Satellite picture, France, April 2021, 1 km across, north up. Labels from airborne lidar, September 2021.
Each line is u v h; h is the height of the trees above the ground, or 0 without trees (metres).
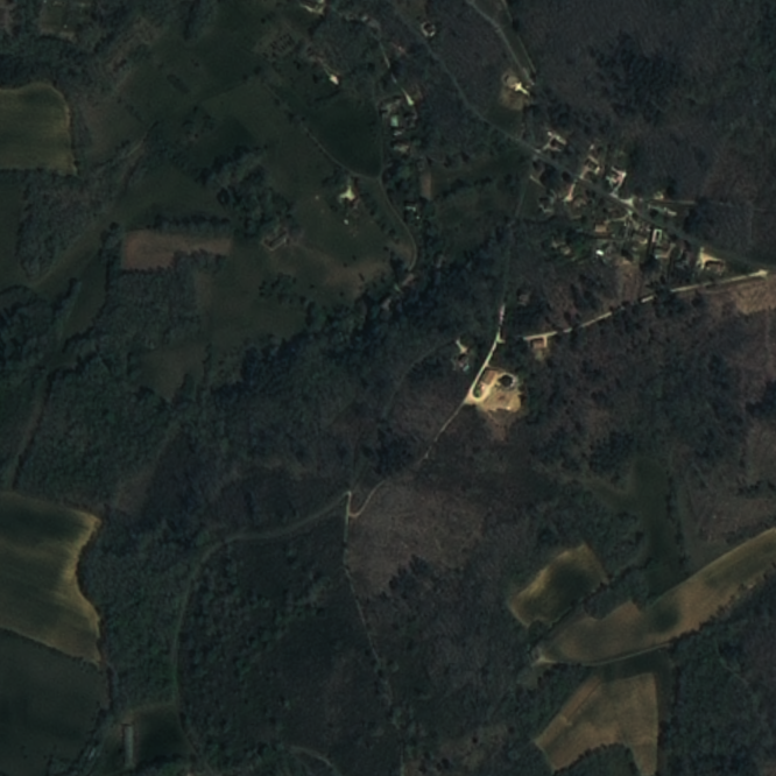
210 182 22
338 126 0
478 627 17
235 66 0
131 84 0
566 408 13
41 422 11
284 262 0
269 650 9
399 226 0
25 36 24
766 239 7
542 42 13
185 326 19
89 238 0
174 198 0
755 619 7
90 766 12
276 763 31
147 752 0
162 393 0
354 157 0
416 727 15
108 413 16
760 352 0
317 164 0
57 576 0
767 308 0
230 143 0
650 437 10
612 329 9
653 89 25
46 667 0
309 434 18
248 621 13
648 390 21
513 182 13
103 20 19
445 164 8
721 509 0
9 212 0
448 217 0
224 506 13
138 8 24
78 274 0
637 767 11
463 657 20
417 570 17
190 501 20
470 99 12
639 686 0
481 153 17
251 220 26
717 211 14
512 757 20
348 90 19
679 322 9
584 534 16
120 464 16
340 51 19
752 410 8
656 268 20
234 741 9
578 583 0
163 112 0
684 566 15
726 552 0
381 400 14
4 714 0
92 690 0
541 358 0
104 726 18
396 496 0
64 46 14
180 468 9
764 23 14
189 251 0
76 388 13
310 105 8
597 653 0
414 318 24
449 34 14
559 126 17
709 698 13
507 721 16
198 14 21
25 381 18
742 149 13
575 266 6
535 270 13
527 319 9
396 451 17
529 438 12
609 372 7
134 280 14
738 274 0
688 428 21
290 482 6
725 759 8
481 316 19
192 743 14
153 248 0
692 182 17
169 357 0
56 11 0
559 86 13
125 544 9
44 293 0
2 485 13
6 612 0
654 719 0
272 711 14
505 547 17
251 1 8
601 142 6
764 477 0
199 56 0
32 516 0
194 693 7
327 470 16
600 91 12
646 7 18
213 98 0
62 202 8
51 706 0
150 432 16
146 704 17
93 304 0
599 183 15
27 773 0
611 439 9
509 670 18
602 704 0
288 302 13
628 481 9
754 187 7
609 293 10
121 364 18
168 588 17
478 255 10
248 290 0
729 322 9
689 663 15
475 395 0
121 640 22
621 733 0
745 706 17
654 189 12
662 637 0
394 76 15
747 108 19
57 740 0
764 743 16
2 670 0
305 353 24
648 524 0
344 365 30
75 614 0
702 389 19
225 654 15
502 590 14
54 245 17
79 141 13
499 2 0
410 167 7
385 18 14
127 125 0
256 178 8
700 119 16
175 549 15
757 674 10
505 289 17
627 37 16
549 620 0
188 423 22
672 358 9
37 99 0
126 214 0
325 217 0
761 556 0
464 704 10
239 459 23
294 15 0
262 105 0
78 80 19
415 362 10
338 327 16
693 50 16
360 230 0
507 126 0
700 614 0
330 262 0
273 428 16
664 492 0
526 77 0
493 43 14
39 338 18
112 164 10
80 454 11
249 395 21
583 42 16
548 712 20
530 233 16
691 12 21
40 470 17
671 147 21
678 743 23
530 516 19
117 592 21
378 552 0
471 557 17
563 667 11
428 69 20
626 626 0
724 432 9
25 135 0
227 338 0
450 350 13
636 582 21
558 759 0
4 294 8
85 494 12
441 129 18
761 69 22
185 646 21
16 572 0
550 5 15
